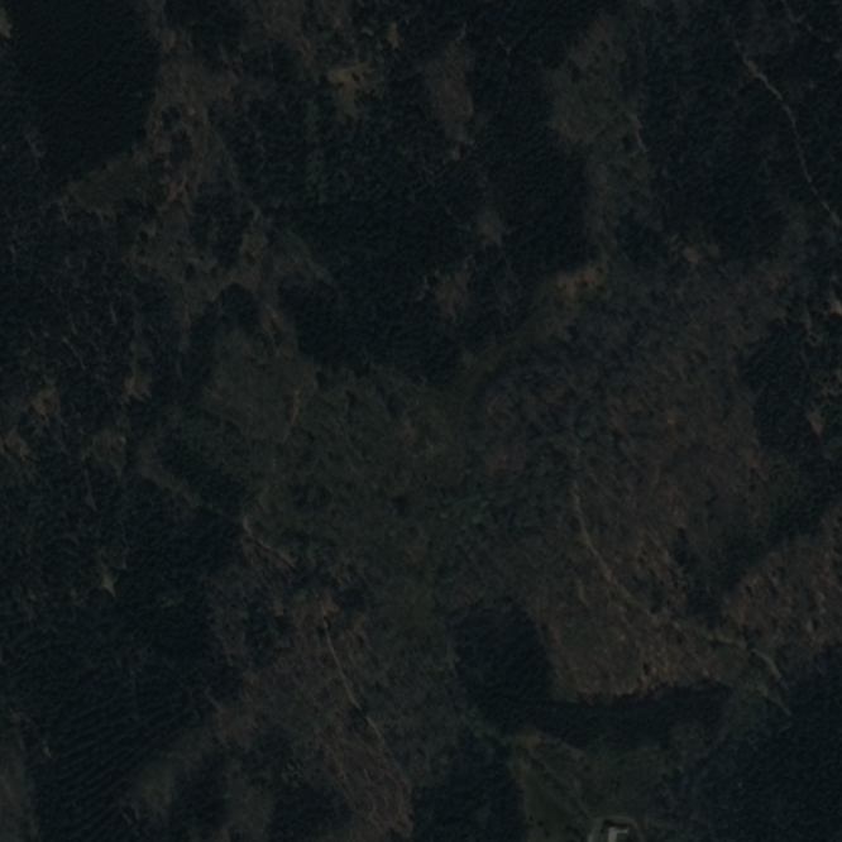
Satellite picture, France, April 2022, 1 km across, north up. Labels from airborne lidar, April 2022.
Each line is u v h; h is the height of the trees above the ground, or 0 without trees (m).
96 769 29
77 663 38
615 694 25
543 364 29
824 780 28
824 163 22
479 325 30
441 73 21
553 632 23
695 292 27
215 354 22
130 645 24
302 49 23
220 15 31
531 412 23
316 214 29
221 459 24
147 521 25
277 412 19
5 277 30
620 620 26
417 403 31
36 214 23
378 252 19
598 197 32
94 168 13
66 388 29
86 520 26
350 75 0
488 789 26
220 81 31
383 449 27
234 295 24
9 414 30
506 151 22
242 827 22
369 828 23
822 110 23
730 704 28
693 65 22
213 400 20
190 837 27
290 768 25
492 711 27
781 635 29
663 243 21
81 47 17
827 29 26
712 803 30
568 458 23
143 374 18
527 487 29
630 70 29
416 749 27
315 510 25
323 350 31
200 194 17
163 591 23
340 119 34
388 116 32
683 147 8
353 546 28
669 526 24
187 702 23
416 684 24
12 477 22
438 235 35
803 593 23
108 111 19
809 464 19
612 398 17
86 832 24
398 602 9
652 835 12
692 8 26
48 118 19
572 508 24
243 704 25
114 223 16
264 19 28
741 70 30
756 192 34
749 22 33
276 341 19
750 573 23
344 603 30
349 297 27
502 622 20
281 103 45
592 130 24
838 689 23
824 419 9
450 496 18
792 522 18
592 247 26
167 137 20
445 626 19
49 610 27
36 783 32
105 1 21
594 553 17
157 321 26
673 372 23
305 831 32
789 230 29
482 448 29
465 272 20
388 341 32
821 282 21
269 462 19
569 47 22
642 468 23
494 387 30
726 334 22
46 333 26
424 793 24
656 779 22
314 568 25
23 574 33
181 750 19
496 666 23
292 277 33
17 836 29
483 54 27
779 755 36
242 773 11
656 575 22
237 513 23
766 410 23
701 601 23
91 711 26
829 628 25
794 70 24
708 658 24
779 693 25
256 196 27
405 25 20
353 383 18
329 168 33
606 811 9
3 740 13
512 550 25
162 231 13
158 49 21
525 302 32
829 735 34
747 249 32
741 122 21
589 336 33
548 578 22
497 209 27
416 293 26
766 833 28
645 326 31
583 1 30
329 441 8
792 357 23
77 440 31
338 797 31
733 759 32
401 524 18
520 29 36
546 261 26
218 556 27
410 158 34
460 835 31
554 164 27
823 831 31
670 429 6
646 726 26
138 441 26
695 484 25
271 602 30
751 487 28
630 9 27
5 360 26
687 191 39
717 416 22
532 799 0
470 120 18
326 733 29
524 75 23
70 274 22
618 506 23
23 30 20
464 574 24
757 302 25
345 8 27
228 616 30
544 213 15
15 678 33
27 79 25
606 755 16
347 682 21
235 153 30
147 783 21
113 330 37
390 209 33
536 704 24
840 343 9
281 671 30
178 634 20
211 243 22
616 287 23
